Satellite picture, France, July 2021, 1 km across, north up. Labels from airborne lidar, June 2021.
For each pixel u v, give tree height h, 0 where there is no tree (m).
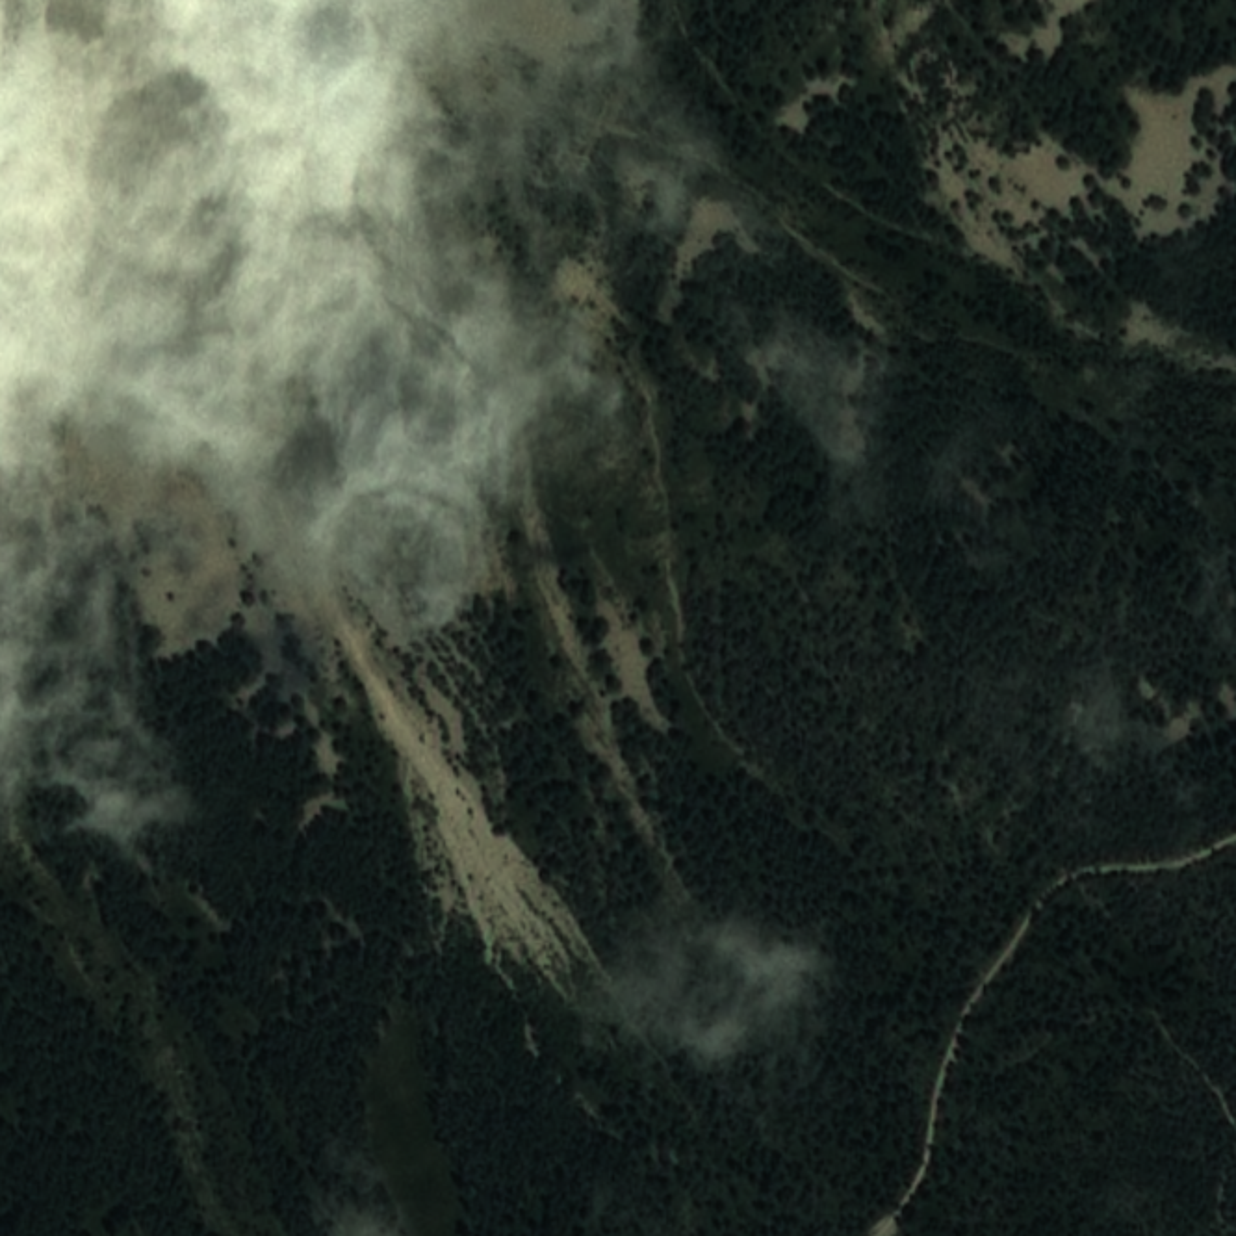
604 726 0
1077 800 18
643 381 0
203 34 0
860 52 11
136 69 0
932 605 14
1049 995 5
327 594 0
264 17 0
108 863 19
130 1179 30
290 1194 22
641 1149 22
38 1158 25
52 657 15
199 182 0
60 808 17
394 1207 26
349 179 0
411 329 0
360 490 0
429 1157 0
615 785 0
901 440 24
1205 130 15
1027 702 8
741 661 11
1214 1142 8
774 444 18
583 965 6
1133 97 0
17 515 0
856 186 20
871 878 20
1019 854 9
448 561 0
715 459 9
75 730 23
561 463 0
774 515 17
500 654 12
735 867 20
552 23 0
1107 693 12
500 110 0
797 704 19
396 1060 0
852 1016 24
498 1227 27
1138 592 11
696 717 0
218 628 0
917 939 15
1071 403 0
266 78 0
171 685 15
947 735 22
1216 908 14
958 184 0
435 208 0
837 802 9
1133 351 0
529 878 0
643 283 7
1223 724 6
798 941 16
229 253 0
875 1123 11
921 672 11
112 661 20
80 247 0
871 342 23
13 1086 23
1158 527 23
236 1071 22
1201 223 9
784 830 25
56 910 0
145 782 23
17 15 0
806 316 17
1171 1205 10
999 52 19
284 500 0
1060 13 0
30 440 0
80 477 0
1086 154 15
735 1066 9
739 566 6
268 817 24
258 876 23
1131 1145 9
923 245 6
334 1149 24
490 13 0
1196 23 16
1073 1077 20
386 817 8
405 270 9
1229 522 0
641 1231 23
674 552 0
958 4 6
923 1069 8
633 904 15
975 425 21
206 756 25
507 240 6
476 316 0
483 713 9
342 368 0
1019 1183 14
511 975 10
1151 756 9
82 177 0
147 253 0
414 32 0
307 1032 24
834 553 11
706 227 0
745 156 17
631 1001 14
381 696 0
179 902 0
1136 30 16
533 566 0
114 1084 25
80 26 0
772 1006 12
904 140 17
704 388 8
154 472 0
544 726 18
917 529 18
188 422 0
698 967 10
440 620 8
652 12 11
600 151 7
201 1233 25
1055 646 9
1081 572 15
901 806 10
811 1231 10
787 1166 6
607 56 11
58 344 0
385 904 20
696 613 14
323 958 26
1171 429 7
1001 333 13
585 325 0
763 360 0
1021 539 0
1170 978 7
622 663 0
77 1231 24
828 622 13
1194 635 17
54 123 0
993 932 9
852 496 21
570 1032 8
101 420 0
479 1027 23
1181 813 10
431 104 0
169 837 18
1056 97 15
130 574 0
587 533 0
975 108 7
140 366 0
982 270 7
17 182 0
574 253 7
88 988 0
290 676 0
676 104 12
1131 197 0
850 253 0
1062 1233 11
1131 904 7
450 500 0
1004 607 19
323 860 25
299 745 26
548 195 10
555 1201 21
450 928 10
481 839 0
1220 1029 9
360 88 0
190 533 0
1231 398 5
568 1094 22
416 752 0
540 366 7
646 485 0
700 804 25
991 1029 8
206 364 0
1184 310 17
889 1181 15
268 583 0
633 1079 6
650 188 12
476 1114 23
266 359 0
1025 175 0
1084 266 22
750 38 15
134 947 25
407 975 18
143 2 0
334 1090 21
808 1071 20
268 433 0
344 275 0
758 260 17
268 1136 19
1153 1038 6
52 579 0
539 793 23
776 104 16
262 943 31
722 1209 20
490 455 0
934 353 8
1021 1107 23
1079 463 25
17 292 0
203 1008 14
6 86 0
